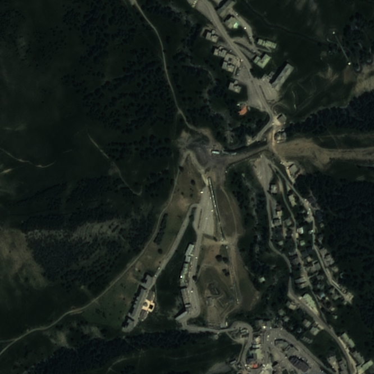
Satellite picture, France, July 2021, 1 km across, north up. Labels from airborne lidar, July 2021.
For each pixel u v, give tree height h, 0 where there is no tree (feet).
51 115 0
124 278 0
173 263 0
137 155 0
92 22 74
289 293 0
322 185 52
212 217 0
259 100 0
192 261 0
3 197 0
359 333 0
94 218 29
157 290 0
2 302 0
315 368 0
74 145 0
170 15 75
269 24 0
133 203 31
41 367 38
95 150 0
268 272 42
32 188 0
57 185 35
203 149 0
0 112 0
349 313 23
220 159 0
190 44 50
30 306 0
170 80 0
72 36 0
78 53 0
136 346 64
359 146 0
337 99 0
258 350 0
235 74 0
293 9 0
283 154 0
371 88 0
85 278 29
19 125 0
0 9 0
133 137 0
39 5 0
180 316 0
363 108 46
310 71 0
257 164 0
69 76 38
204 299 0
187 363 0
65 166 0
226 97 84
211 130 0
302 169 0
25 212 0
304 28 0
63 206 0
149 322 0
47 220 35
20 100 0
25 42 0
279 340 0
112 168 0
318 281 26
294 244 25
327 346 0
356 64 24
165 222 41
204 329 0
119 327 0
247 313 0
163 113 0
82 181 34
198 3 0
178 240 0
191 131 0
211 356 0
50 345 0
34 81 0
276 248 0
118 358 0
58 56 0
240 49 0
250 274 25
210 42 0
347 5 0
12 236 0
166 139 50
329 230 0
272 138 0
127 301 0
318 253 0
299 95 0
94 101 22
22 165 0
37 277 0
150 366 0
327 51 0
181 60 57
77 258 30
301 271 0
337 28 0
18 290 0
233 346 0
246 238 0
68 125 0
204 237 0
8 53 0
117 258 30
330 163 0
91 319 0
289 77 0
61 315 0
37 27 0
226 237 0
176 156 0
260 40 0
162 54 0
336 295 0
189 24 69
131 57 0
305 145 0
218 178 0
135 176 0
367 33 0
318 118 82
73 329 46
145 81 74
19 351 0
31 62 0
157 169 0
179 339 27
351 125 50
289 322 34
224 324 0
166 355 0
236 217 0
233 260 0
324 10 0
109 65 0
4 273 0
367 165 0
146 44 0
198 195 0
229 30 0
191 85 0
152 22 0
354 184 52
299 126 42
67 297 0
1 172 0
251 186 0
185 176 0
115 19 78
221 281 0
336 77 0
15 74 0
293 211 0
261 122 67
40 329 0
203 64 0
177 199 0
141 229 30
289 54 0
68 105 0
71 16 50
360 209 52
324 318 0
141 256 0
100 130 0
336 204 64
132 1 0
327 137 0
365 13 0
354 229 68
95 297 0
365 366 0
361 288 46
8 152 0
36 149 0
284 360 0
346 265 0
